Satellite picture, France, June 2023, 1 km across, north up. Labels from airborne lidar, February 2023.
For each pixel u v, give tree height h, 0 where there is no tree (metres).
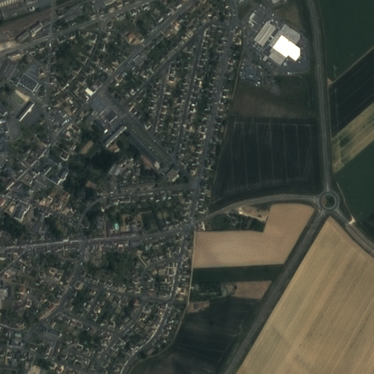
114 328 0
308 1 0
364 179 0
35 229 0
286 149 0
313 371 0
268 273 0
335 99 0
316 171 0
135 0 0
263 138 0
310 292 0
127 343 8
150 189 0
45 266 6
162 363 0
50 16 0
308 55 0
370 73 0
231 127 0
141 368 0
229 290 0
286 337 0
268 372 0
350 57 0
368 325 0
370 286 0
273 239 0
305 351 0
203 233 0
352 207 0
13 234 7
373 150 0
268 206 0
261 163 0
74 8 0
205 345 0
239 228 8
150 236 0
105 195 9
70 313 0
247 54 0
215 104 0
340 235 0
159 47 7
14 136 0
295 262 0
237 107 0
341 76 0
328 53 0
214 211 0
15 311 0
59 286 0
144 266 0
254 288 0
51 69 0
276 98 0
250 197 0
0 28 0
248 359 0
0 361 0
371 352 0
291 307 0
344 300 0
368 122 0
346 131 0
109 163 8
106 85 0
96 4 0
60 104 0
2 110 0
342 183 0
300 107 0
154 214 9
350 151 0
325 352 0
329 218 0
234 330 0
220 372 0
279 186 0
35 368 0
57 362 0
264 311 0
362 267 0
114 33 0
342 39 0
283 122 0
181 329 0
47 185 0
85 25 0
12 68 0
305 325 0
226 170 0
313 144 0
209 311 0
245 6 0
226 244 0
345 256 0
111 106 0
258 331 0
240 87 0
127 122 0
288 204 0
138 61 0
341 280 0
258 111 0
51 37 0
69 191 9
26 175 0
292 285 0
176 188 0
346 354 0
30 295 0
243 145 0
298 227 0
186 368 0
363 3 0
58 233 12
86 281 0
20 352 13
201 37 0
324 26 0
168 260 0
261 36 0
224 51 0
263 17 0
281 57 0
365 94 0
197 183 0
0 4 0
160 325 0
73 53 0
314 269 0
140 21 8
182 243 0
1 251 0
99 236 0
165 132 0
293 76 0
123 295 0
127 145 0
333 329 0
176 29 0
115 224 0
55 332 0
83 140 14
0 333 0
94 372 0
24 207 0
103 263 0
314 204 0
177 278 0
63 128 0
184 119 0
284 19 0
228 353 0
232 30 0
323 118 0
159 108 0
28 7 0
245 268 0
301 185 0
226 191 0
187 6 0
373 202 0
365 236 0
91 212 12
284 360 0
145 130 0
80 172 6
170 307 0
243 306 0
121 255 7
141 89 0
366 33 0
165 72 0
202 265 0
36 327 0
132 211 9
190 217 0
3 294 0
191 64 0
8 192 0
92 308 0
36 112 0
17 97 0
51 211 0
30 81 0
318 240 0
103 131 0
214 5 6
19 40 0
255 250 0
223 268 0
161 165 11
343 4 0
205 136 0
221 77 0
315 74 0
